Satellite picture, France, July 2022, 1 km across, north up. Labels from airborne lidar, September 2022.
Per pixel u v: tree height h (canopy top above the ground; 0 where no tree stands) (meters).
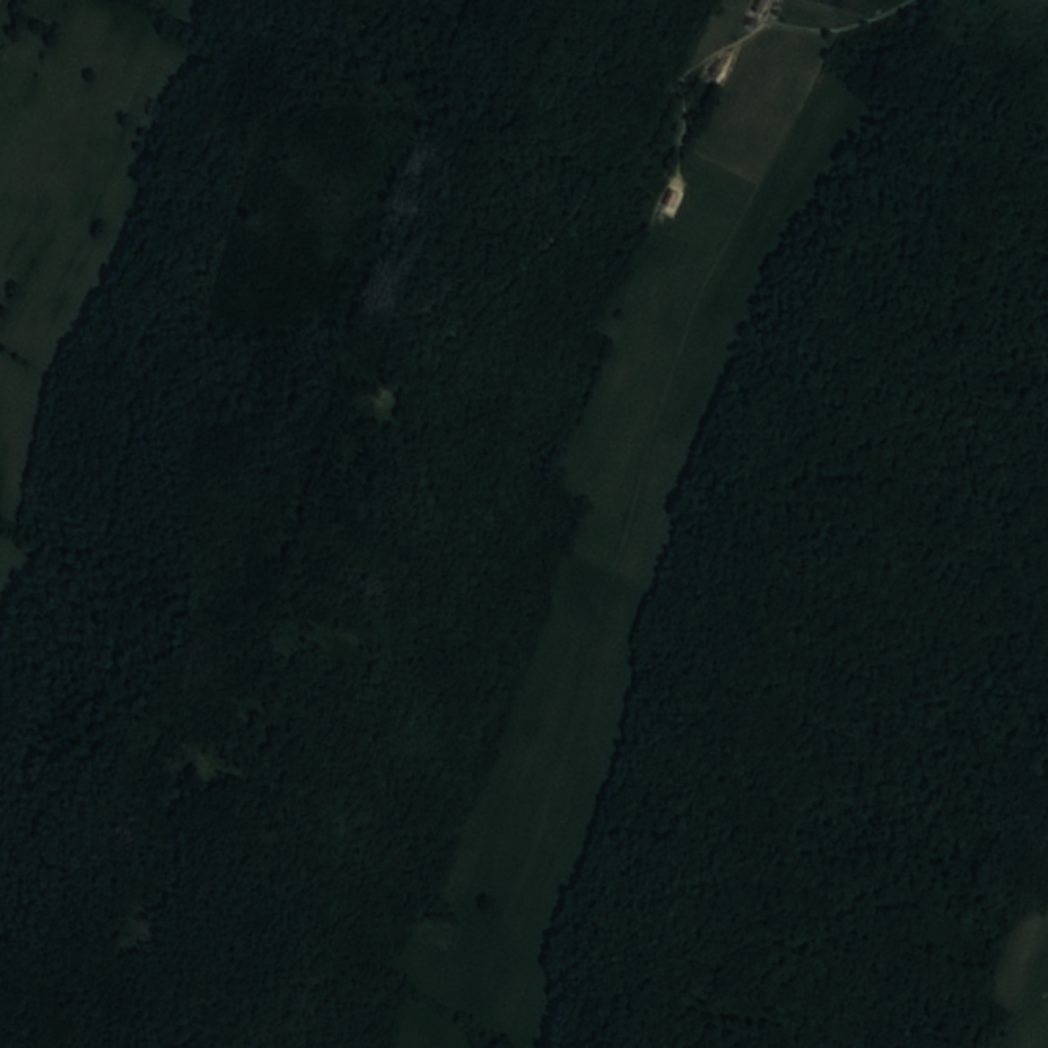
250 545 17
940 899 20
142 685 20
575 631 0
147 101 0
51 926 21
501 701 15
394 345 17
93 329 24
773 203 0
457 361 11
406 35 26
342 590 16
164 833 17
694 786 17
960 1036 15
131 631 29
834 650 15
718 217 0
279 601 19
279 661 14
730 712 15
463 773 16
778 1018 17
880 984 16
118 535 27
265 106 23
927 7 19
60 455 20
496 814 0
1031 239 14
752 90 0
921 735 17
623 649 0
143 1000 19
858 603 14
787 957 17
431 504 11
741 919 18
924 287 21
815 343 17
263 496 20
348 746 12
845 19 0
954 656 15
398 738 7
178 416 32
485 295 13
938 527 19
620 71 17
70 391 24
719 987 17
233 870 22
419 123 6
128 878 15
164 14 16
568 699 0
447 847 18
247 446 17
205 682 14
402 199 26
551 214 13
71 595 32
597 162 16
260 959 22
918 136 16
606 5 7
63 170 0
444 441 14
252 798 19
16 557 0
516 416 16
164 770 27
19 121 0
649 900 18
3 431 0
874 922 18
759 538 17
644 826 16
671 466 0
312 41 27
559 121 13
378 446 21
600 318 16
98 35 0
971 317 20
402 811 6
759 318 13
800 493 21
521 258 15
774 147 0
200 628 23
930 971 19
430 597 17
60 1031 22
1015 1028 0
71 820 25
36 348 0
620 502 0
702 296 0
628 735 18
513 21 23
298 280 10
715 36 0
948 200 18
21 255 0
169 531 31
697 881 13
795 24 0
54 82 0
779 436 14
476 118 17
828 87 0
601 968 16
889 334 18
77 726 28
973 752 19
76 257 0
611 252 21
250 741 17
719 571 11
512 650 15
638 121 20
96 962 18
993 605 18
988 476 19
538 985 0
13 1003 20
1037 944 0
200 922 27
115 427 22
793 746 15
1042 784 21
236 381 26
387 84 27
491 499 8
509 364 15
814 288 17
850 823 22
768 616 15
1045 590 17
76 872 13
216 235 27
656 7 6
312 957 16
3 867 38
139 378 21
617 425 0
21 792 32
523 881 0
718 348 0
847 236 17
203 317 20
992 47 9
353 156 7
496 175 14
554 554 16
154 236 27
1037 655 15
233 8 23
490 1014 0
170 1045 16
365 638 18
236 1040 16
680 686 18
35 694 22
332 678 16
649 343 0
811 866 17
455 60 22
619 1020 20
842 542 20
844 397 19
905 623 12
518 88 14
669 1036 14
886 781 8
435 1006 7
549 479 26
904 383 15
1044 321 14
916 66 22
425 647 18
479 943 0
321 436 21
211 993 19
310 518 20
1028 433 13
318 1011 9
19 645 23
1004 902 16
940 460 18
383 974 19
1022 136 17
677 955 13
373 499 18
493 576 17
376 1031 19
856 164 11
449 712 15
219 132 21
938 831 21
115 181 0
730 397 20
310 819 13
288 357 21
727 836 19
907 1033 23
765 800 18
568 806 0
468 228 17
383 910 15
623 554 0
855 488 21
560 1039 27
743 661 17
